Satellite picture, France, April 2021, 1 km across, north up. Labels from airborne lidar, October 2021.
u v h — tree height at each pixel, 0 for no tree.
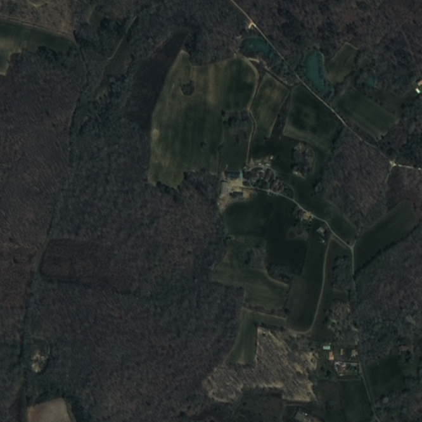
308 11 21
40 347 0
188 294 17
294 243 0
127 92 19
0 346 19
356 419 0
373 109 0
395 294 10
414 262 13
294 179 0
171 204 6
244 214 0
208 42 18
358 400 0
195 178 14
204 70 0
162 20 21
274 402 0
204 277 22
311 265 0
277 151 0
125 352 9
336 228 0
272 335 16
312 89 6
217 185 17
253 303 0
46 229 16
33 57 17
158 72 0
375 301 10
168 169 0
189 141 0
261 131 0
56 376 19
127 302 17
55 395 11
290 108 0
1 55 0
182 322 16
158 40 18
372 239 0
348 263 16
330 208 0
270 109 0
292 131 0
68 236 16
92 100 16
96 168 16
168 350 7
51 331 19
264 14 13
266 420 0
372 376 0
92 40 30
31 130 14
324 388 0
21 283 5
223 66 0
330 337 0
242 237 0
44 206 15
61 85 15
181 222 12
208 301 16
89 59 20
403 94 17
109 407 12
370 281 11
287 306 0
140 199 16
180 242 15
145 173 17
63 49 0
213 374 10
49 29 0
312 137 0
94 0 22
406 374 0
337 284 14
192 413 10
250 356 0
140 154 20
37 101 13
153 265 15
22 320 22
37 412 0
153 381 11
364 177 16
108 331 15
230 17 20
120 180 13
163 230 11
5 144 10
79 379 10
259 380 18
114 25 21
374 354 11
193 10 19
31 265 19
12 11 10
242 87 0
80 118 8
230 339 15
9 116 18
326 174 19
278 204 0
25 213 15
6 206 15
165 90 0
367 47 13
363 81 9
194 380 10
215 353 10
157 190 10
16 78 9
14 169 13
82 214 14
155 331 10
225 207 0
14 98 12
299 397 14
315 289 0
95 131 21
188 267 10
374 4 11
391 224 0
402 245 14
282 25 9
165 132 0
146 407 14
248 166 6
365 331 17
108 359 12
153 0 14
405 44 11
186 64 0
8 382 13
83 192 15
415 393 19
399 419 8
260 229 0
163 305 22
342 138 16
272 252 0
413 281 8
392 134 8
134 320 11
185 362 11
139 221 10
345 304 12
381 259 21
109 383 15
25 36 0
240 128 14
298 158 15
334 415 0
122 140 20
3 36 0
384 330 13
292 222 0
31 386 24
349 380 0
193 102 0
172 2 20
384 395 0
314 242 0
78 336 13
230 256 0
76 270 6
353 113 0
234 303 13
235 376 13
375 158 12
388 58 15
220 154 6
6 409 15
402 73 18
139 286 18
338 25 9
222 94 0
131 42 20
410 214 0
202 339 15
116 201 13
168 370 11
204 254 15
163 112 0
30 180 13
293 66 18
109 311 15
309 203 0
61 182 19
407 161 9
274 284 0
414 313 13
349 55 0
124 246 17
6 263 17
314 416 0
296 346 11
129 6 17
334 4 15
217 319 10
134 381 18
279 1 11
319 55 9
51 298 17
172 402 18
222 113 0
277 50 18
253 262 16
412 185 0
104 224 14
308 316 0
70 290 19
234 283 0
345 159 18
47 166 14
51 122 12
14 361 22
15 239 15
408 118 11
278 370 16
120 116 21
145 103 0
